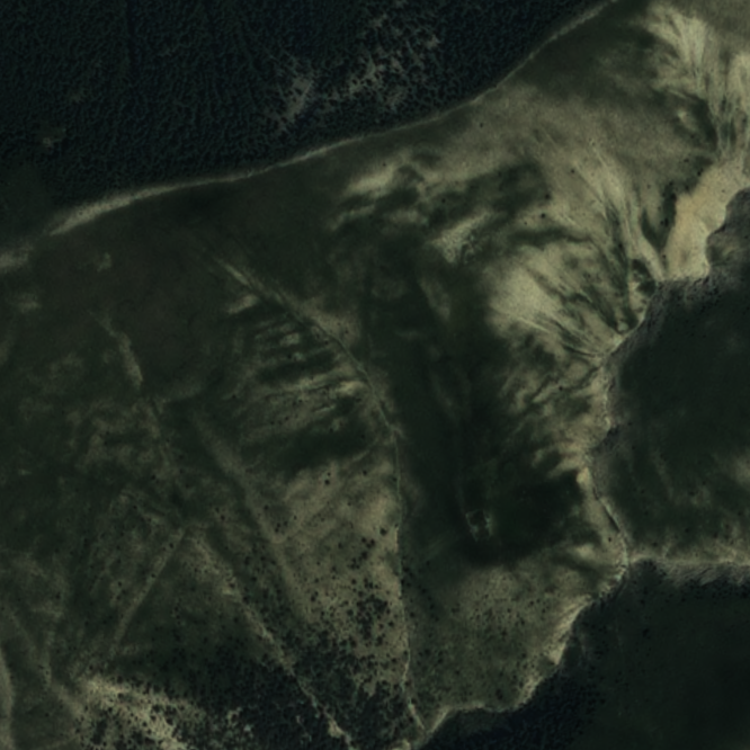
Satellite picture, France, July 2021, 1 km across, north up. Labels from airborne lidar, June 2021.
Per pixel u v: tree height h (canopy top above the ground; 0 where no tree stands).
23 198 0
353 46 17
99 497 0
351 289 0
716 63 0
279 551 0
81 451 0
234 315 0
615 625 0
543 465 0
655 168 0
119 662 0
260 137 10
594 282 0
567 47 0
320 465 0
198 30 13
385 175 0
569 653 0
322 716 8
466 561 0
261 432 0
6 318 0
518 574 0
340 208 0
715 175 0
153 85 14
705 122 0
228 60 12
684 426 0
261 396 0
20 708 0
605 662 0
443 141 0
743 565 0
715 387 0
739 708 0
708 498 0
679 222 0
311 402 0
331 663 8
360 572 0
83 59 17
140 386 0
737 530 0
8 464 0
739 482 0
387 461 0
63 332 0
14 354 0
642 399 0
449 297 0
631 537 0
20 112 19
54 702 0
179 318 0
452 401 0
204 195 0
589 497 0
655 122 0
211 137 19
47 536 0
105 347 0
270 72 12
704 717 0
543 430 0
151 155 15
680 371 0
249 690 7
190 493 0
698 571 0
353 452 0
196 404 0
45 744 0
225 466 0
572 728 8
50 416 0
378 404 0
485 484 0
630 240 0
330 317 0
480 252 0
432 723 0
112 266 0
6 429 0
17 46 19
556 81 0
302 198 0
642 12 0
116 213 0
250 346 0
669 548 0
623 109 0
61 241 0
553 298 0
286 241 0
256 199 0
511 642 0
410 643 0
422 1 17
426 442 0
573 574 0
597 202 0
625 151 0
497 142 0
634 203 0
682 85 0
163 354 0
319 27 15
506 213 0
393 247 0
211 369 0
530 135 0
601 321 0
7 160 10
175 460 0
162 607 0
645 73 0
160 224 0
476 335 0
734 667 0
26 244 0
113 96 21
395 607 0
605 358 0
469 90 7
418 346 0
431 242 0
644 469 0
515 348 0
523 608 0
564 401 0
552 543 0
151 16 19
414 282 0
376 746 11
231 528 0
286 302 0
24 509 0
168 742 0
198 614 0
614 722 0
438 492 0
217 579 0
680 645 0
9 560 0
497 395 0
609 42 0
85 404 0
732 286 0
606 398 0
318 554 0
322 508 0
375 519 0
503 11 15
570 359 0
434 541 0
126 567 0
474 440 0
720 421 0
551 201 0
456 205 0
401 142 0
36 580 0
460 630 0
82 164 8
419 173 0
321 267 0
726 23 0
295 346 0
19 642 0
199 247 0
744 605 0
